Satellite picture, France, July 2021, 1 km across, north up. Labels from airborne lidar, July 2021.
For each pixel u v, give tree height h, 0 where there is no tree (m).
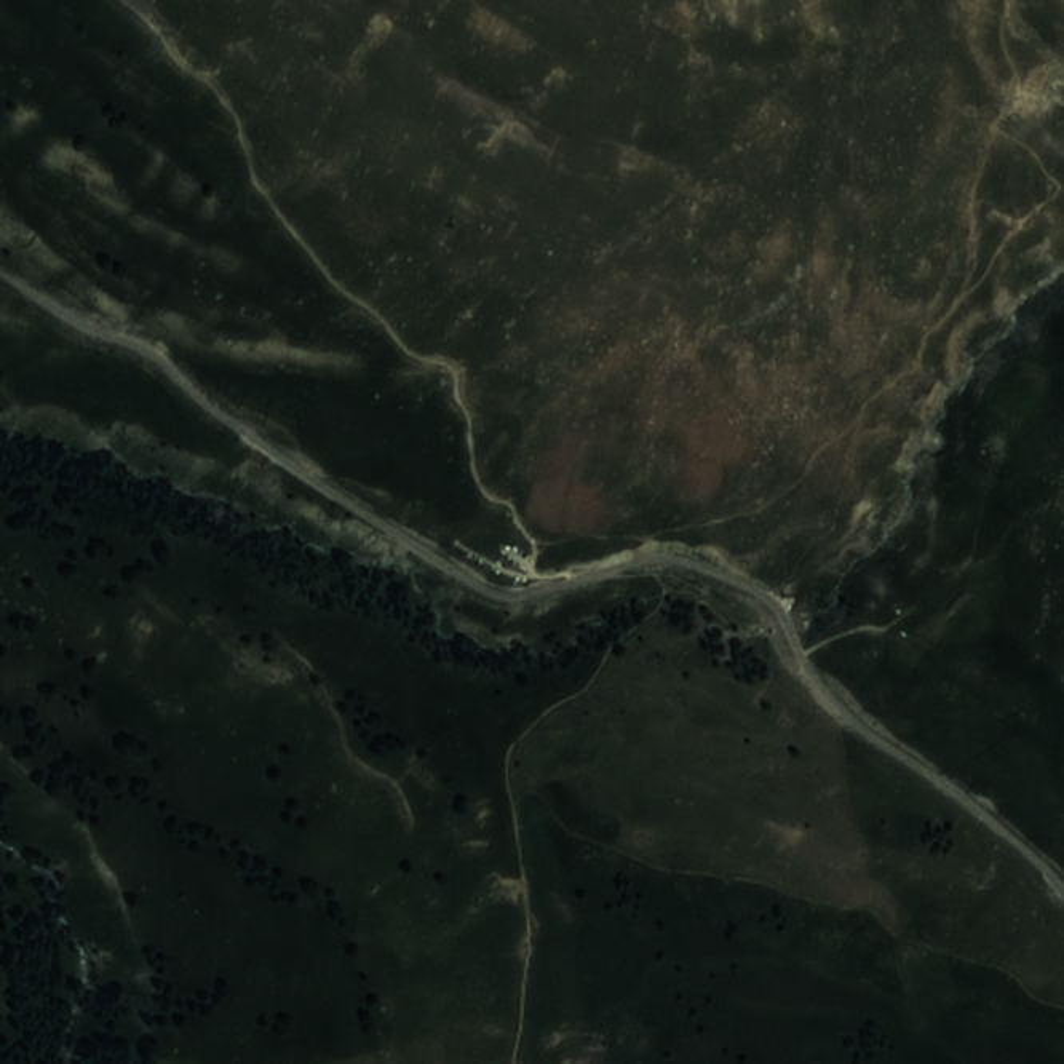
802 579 0
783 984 0
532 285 0
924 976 0
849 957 0
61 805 0
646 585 0
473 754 0
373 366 0
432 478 0
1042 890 0
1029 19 0
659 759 0
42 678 0
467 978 0
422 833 0
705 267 0
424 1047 0
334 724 0
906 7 0
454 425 0
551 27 0
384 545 0
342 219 0
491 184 0
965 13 0
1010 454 0
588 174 0
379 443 0
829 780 0
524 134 0
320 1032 0
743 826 0
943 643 0
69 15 0
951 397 0
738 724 0
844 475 0
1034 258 0
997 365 0
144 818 0
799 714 0
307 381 0
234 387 0
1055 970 0
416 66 0
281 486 0
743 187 0
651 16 0
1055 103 0
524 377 0
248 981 0
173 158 0
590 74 0
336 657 0
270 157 0
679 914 0
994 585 0
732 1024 0
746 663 10
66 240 0
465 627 0
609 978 0
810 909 0
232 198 0
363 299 0
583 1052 0
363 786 0
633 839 0
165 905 0
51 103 0
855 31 0
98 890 0
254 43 0
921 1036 0
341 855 0
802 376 0
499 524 0
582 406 0
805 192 0
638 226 0
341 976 0
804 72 0
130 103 0
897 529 0
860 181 0
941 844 9
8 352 0
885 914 0
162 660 0
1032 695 0
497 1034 0
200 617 0
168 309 0
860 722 0
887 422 0
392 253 0
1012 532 0
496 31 0
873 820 0
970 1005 0
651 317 0
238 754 0
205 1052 0
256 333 0
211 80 0
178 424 0
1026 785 0
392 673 0
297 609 0
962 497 0
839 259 0
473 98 0
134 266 0
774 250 0
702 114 0
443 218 0
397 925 0
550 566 0
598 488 0
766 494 0
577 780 0
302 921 0
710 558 0
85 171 0
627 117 0
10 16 0
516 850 0
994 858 0
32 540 0
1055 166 0
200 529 18
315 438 0
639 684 0
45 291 0
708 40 0
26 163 0
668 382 0
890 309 0
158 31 0
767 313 0
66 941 21
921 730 0
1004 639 0
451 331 0
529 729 0
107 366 0
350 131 0
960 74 0
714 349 0
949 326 0
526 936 0
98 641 0
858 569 0
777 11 0
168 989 16
